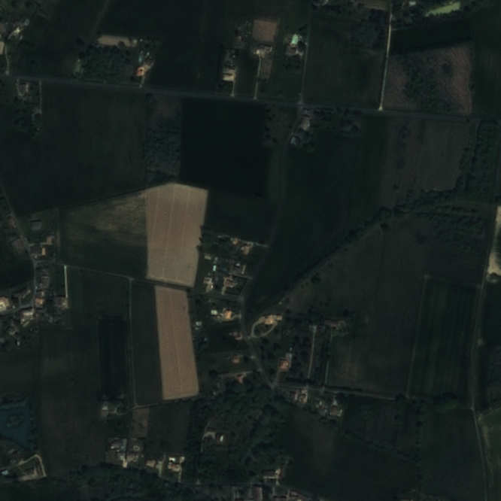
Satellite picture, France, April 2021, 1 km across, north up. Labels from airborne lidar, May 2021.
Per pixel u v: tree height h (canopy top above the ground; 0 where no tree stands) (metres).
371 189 0
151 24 0
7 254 0
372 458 0
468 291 0
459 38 0
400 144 0
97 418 0
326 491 0
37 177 0
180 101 0
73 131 0
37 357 0
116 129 0
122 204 0
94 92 0
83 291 0
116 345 0
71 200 0
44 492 0
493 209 0
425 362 0
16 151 0
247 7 0
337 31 0
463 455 0
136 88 0
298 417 0
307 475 0
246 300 0
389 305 0
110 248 0
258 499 0
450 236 7
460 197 14
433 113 0
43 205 0
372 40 15
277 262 0
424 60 22
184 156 0
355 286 0
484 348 0
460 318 0
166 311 0
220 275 0
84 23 0
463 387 0
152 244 0
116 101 0
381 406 0
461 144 0
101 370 0
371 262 0
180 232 0
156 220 0
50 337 0
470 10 14
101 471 13
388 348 0
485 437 0
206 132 0
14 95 0
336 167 0
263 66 0
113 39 0
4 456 0
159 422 0
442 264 0
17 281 0
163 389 0
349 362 0
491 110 0
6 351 9
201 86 0
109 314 0
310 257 0
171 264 0
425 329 0
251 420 9
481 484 0
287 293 16
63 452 0
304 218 0
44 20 0
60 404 0
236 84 0
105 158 0
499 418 0
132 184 0
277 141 7
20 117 10
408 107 21
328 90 0
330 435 0
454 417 0
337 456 0
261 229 0
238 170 0
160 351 0
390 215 13
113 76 14
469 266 0
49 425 0
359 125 0
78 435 0
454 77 24
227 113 0
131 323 0
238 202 0
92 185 0
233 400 21
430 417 0
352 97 0
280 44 0
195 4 0
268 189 0
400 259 0
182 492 17
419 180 0
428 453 0
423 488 0
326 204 0
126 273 0
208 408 8
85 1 0
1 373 0
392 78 22
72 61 0
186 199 0
